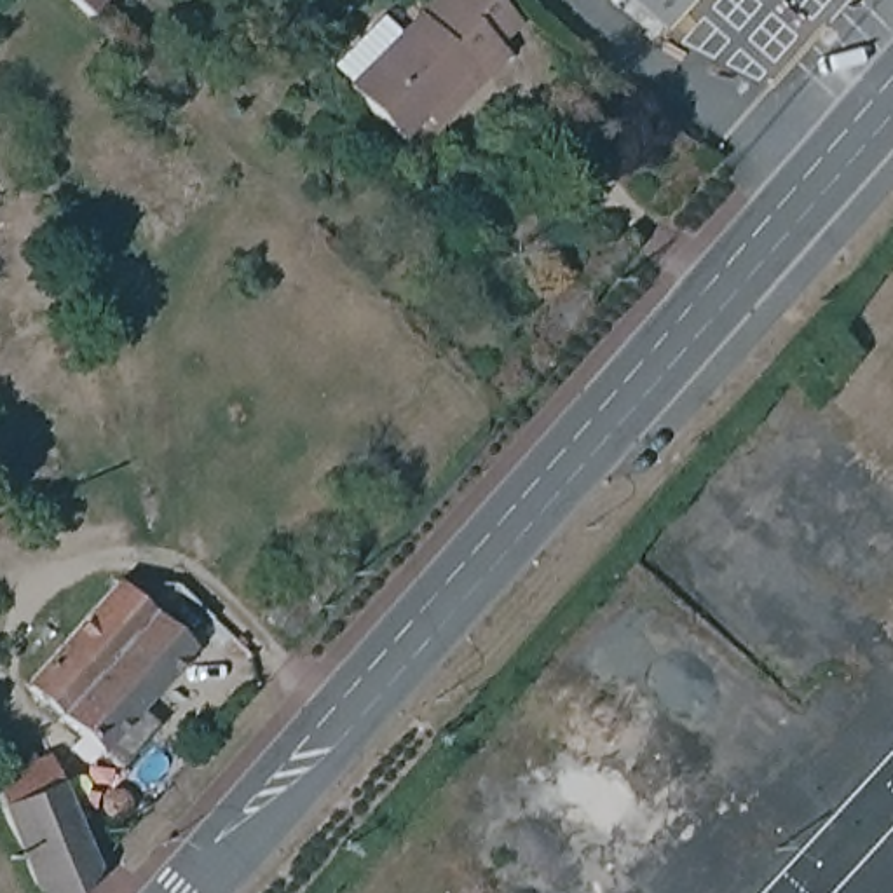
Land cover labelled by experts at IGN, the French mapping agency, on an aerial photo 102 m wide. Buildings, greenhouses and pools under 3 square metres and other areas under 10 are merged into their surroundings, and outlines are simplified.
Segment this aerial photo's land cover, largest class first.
<instances>
[{"label":"impervious surface","instance_id":"1","mask_svg":"<svg viewBox=\"0 0 893 893\"><path fill-rule=\"evenodd\" d=\"M572 35H579L593 49L600 63L610 70L603 77V94H624L638 91L656 98L673 133L691 136L722 157V178L733 195L701 227H677L645 220L642 202L617 181L607 188L603 181H593V216L621 237H649V258L659 262L656 286L642 300H635L628 314L614 321V328L583 356L572 377L558 384V394L548 398L534 412V419L513 433L502 453H495V467H481L474 481H467L464 488H450V509H443L436 527L415 541V551L401 565H394L387 583L370 596L363 610H356V624H345L331 649H324L321 656L286 652L272 635V610H258L241 593H230L227 583L213 572L206 541L192 530H185L171 548H157L133 544L126 520L84 523L77 530H66L59 534L56 548L38 551L10 583V593L0 596V631H14L17 624H24L59 590L94 572L122 569V583L143 590L164 614L181 621L206 645L199 659L178 680L167 684L164 701L153 705V719L164 722L157 740L167 743L178 736L188 712L223 705L234 694V687L251 691L255 698L265 694L276 705L272 719L251 736L241 757L213 778L195 809L167 830L164 844H157L136 872H129L119 862L122 848L108 837L105 820L122 813L126 799H133L140 802L143 820L153 816V806L171 792L164 778L181 767V760L164 753H147L133 767V781H119L115 771L105 767L87 771V760L73 753V746L80 743L77 729H66V722H59L49 708L31 701V684L21 673L17 656H10V663H0V740L14 743L17 760L28 767L35 757H52L66 774L80 778V788L91 802L87 823L94 830L101 858L115 869L101 886H87L84 893H237L283 848L293 827L314 809V802L363 760L370 740L450 656V649L478 621V614L488 610V603L516 579V572L534 558V551L551 537V530L600 481H624L645 474L673 440V433L712 401L726 377L753 352V345H760V338L778 324V317L806 293V286L827 269V262L876 213V206H886L893 213V0H701L687 17L659 21L649 14L642 0H541ZM855 433L851 419L823 422L816 415L802 412L785 394L771 419L760 422V429L691 495L694 506L670 534L663 555L642 558V565L701 621H708L719 638H698L684 624L656 617L642 607H621L617 614L600 617L586 621V628L569 645H562L555 659L569 656L576 666H590V673L600 677L610 691L617 684H635L638 694L652 701V726L663 736L677 740V750L670 753V771L684 785L687 809L673 823L656 830L645 858L628 865V893H893V624L883 628L869 614L858 617L851 603L862 596L869 583L883 586L893 576V474L886 481H876L872 471H865L855 460V453L848 450ZM830 652H855L869 663V670L844 691H820L816 701L802 712H788L781 701H774V684L760 680L750 666L757 656H764L771 666L781 670V680L795 687Z\"/></svg>","mask_w":893,"mask_h":893},{"label":"herbaceous vegetation","instance_id":"2","mask_svg":"<svg viewBox=\"0 0 893 893\"><path fill-rule=\"evenodd\" d=\"M171 7L174 17L188 28V35L216 42L213 7L206 0H108V7L94 10V17H84L70 0H0V63L28 59L17 91L45 105L52 115V167L59 174L63 206L59 216L70 230L98 234L101 269L91 286L98 297H115V314L122 317L129 342L119 352V363H105L87 373L63 370L49 331V293L35 286L31 265L24 258V241L42 223L35 213L38 202L35 192L14 188V178L3 164L0 133V464L7 467L10 492L42 495L59 513V523L66 530H77L84 523L126 520L133 544L157 548H171L185 530H192L206 541L213 572L227 583L230 593H241L258 562L262 544L272 534L297 530L314 513H321L335 495V478L398 474L405 492L419 495L426 485V467L440 474L453 450L488 419L485 391L478 380L457 352H436L429 342H422L408 328L405 314L394 310V303H387L384 297H373L366 276L349 269L342 255L331 248L342 227L321 216L317 206L303 195L307 178L300 171V157L290 150H272L269 143L272 126L283 136H300L303 126L300 119L279 112V98L286 94V87L276 77H255L251 84L223 87L220 94L195 87V80H136L140 98L181 105L178 136H195L192 150H164L157 140H147L129 126H119L112 119V108L91 91V59L101 52L108 38L119 42V28L126 21L140 31H150L153 10ZM237 248H251L255 279L272 286L258 300H244L237 293V283L227 276V258ZM373 0H290L279 31H290L297 21L307 17H324V56L338 63L356 38L366 35V14ZM610 70L600 63L593 49L586 59H579L576 73L558 77L551 70V52L537 24L527 21L523 49L513 52L502 66L481 73L485 84L471 98L474 112L485 108L492 119H499L551 101L558 108L551 122L572 133V153L579 160H590L593 181H603L607 188L617 181L621 147L614 143V136L621 133L617 119H624V94H603V77ZM359 133L377 136L394 150H422L433 143L429 133L401 136L370 112L359 119ZM893 234V213L886 206H876V213L827 262V269L806 286V293L778 317V324L760 338V345H753V352L726 377L712 401L673 433V440L645 474L624 481H600L551 530V537L534 551V558L516 572V579L488 603V610L478 614V621L450 649V656L370 740L363 760L314 802V809L293 827L283 848L237 893H265L276 879H290L300 848L331 820L335 809L352 806L356 788H363L380 757L405 733H429L457 719L474 701L478 687L506 666L520 642L614 544L628 520L698 450L701 433H708L760 380L774 356L788 345V338L823 307V297L858 269V262L879 241ZM649 237H621L610 241L607 251H590L586 258H579L572 244H562L555 251L572 269V283L596 297L603 283H617L621 262L642 265V258H649ZM851 335L862 349H869V356L848 377L844 391L834 401H827L816 415L823 422L851 419L855 433L848 450L855 453V460L865 471H872L876 481H886L893 474V286L883 283L869 300L865 317L851 321ZM572 331L565 328V314L541 300L534 310L530 359L541 370L555 366L551 352L562 342H569ZM38 551L21 548L14 534L0 537V596L10 593V583ZM621 607H642L656 617L684 624L698 638H719L708 621H701L642 565L628 572V579L614 590L610 603L600 607V617L617 614ZM122 583V569L94 572L59 590L24 624L28 649L17 656L21 673L31 684L42 663H56V656L73 642V628L84 621V614ZM858 617L869 614L883 628L893 624V576L883 586L869 583L862 596L851 603ZM750 666L760 680L774 684V701H781L788 712H802L816 701L820 691H844L869 670V663L855 652H830L795 687L781 680V670L771 666L764 656H757ZM276 705L265 694L255 698L237 715L234 733L220 753H213L206 764L181 760V767L164 778L171 792L153 806V816L143 820L126 834L122 848L119 862L129 872H136L157 844H164L167 830L195 809L213 778L241 757L251 736L272 719ZM35 869V858L28 855V844L14 841L0 813V893H45L28 872Z\"/></svg>","mask_w":893,"mask_h":893},{"label":"deciduous trees","instance_id":"3","mask_svg":"<svg viewBox=\"0 0 893 893\"><path fill-rule=\"evenodd\" d=\"M213 7L216 42L188 35V28L174 17L171 7L153 10L150 31H140L126 21L119 28V42L108 38L101 52L91 59V91L112 108V119L119 126H129L147 140H157L164 150H192L195 136H178L181 105L140 98L136 80H195V87L220 94L223 87L251 84L255 77H276L286 87V94L279 98V112L300 119L303 126L300 136H283L272 126L269 143L272 150H290L300 157V171L307 178L303 195L317 206L321 216L342 227L331 248L342 255L349 269L366 276L373 297H384L387 303H394V310L405 314L408 328L422 342H429L436 352H457L478 380L485 373H499L502 363L530 359L534 310L541 300L565 314V328L572 331L593 314L596 297L572 283V269L555 251L562 244H572L579 258H586L590 251H607L610 241L621 237L593 216V181L590 160H579L572 153V133L551 122L558 108L551 101L499 119H492L485 108L474 112L450 122L447 129L429 133L433 143L422 150H394L377 136L359 133V119L370 112L352 87V77L342 73L338 63L324 56V17H307L297 21L290 31H279L290 0H206ZM28 59L0 63V133L3 164L14 178V188L35 192L38 202L35 213L42 223L24 241V258L31 265L35 286L49 293V331L63 370L87 373L105 363H119V352L129 342L122 317L115 314V297H98L91 286L101 269L98 234L70 230L59 216L63 206L59 174L52 167V115L45 105L17 91ZM621 133L614 136V143L621 147L617 181L642 202L645 220L677 227V220L691 206V195L708 181L722 178V157L691 136L673 133L656 98L638 91L624 94V119H617ZM227 276L237 283V293L244 300H258L272 286L255 279L251 248H237L227 258ZM14 534L21 548L38 551L56 548L59 534L66 530L59 523V513L42 495L10 492L7 467L0 464V537ZM405 492L398 474L335 478V495L321 513H314L297 530L272 534L262 544L258 562L241 593L258 610H272L307 607L314 586L328 579V565H349V555H356V541L363 534H373L377 513L387 506V499ZM255 698L251 691L234 687V694L223 705L188 712L178 736L167 743L164 753L181 760L206 764L213 753H220L234 733L237 715ZM28 767L17 760L14 743L0 740V792H7ZM143 820L140 802L133 799H126L122 813L105 820L108 837L122 848L126 834Z\"/></svg>","mask_w":893,"mask_h":893},{"label":"brushwood","instance_id":"4","mask_svg":"<svg viewBox=\"0 0 893 893\"><path fill-rule=\"evenodd\" d=\"M513 10L527 21L537 24L551 52V70L558 77L576 73L579 59H586L593 49L579 35H572L541 0H509ZM733 195L722 178L708 181L691 195V206L677 220V227H701ZM883 283L893 286V234L879 241L858 262V269L823 297V307L788 338V345L774 356L760 380L708 433H701L698 450L628 520L614 544L520 642L506 666L478 687L474 701L457 719L429 733H405L380 757L363 788H356L352 806L335 809L331 820L300 848L290 879H276L265 893H352L359 883L370 879L380 855L405 837V830L419 816L429 813L443 785L467 774V757L481 750V743L499 729L506 715H513L527 687L555 659L562 645H569L586 628V621L600 617V607L610 603L614 590L628 579V572L642 565V558L663 555L670 534L694 506L691 495L760 429V422L771 419L785 394L802 412L816 415L827 401H834L844 391L848 377L869 356V349H862L851 335V321L865 317L869 300ZM659 262L649 258H642V265L621 262L617 283H603L596 297L593 314L572 331L569 342H562L551 352L555 366L541 370L530 359L502 363L499 373H485L478 380L485 391L488 419L453 450L440 474L426 467V485L419 495L405 492L387 499V506L377 513L373 534H363L356 541V555H349V565H328V579L314 586L307 607L272 610V635L286 652L321 656L324 649H331L345 624H356V610H363L370 596L387 583L394 565H401L415 551V541L436 527L443 509H450V488H464L467 481H474L481 467H495V453H502L513 433L534 419V412L548 398L558 394V384L572 377L583 356L614 328V321L628 314L635 300H642L656 286Z\"/></svg>","mask_w":893,"mask_h":893},{"label":"building","instance_id":"5","mask_svg":"<svg viewBox=\"0 0 893 893\"><path fill-rule=\"evenodd\" d=\"M84 17H94V10L108 7V0H70ZM366 35L356 38L338 63L342 73L352 77V87L370 112L401 136L429 133L447 129L450 122L474 112L471 98L485 84L481 73L502 66L513 52L523 49L527 21L513 10L509 0H373L366 14ZM649 14L659 21L687 17L701 0H642ZM73 642L56 656V663H42L31 684V701L49 708L59 722H66V729H77L80 743L73 746V753L87 760V771L105 767L115 771L119 781H133V767L147 753H164L167 743L157 740L164 722L153 719V705L164 701L167 684L178 680L199 659L206 645L181 621L164 614L143 590L122 583L84 614V621L73 628ZM28 649L24 624H17L14 631H0V663H10V656H17ZM91 802L80 788V778L66 774L52 757H35L28 767L7 792H0V813L14 841L28 844V855L35 858V869L28 872L45 893H84L87 886H101L115 869L101 858L94 830L87 823Z\"/></svg>","mask_w":893,"mask_h":893},{"label":"pervious surface","instance_id":"6","mask_svg":"<svg viewBox=\"0 0 893 893\"><path fill-rule=\"evenodd\" d=\"M652 701L638 694L635 684H617L610 691L600 677L590 673V666H576L569 656L555 659L527 687L513 715H506L499 729L481 743V750L467 757V774L443 785L429 813L419 816L405 830V837L380 855L370 879L359 883L352 893H628V865L645 858L656 830L673 823L687 809L684 785L670 771V753L677 750V740L663 736L652 726Z\"/></svg>","mask_w":893,"mask_h":893}]
</instances>
